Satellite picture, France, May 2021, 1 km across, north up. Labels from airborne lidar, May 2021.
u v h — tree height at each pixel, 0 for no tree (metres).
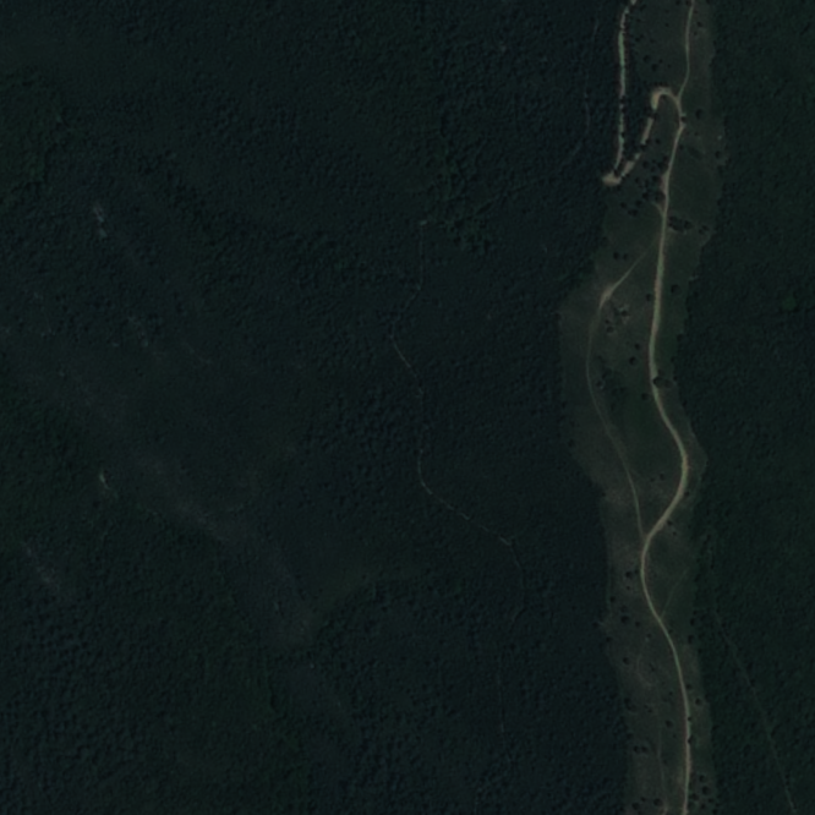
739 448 11
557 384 9
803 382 11
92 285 8
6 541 19
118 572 8
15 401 15
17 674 12
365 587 9
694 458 0
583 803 8
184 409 7
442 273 6
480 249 17
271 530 7
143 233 9
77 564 7
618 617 0
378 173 6
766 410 6
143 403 7
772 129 7
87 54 6
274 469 6
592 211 10
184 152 8
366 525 7
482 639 15
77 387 6
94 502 7
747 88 9
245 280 14
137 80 8
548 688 5
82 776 17
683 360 9
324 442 14
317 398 7
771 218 7
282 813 7
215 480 7
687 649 0
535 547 8
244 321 9
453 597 10
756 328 9
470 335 7
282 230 13
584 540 6
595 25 10
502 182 12
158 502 6
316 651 11
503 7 6
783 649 7
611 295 0
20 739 14
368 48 12
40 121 10
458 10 8
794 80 9
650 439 0
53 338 6
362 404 15
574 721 7
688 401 12
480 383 13
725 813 7
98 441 7
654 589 0
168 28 8
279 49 11
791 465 5
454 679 10
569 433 0
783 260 6
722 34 5
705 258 8
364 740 6
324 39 11
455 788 5
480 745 7
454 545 12
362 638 7
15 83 9
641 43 10
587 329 0
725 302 8
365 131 6
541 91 6
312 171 12
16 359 6
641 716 0
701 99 0
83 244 6
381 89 6
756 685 16
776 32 9
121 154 19
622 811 14
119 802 6
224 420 6
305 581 7
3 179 10
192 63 5
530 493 8
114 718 16
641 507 0
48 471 9
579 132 9
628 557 0
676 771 0
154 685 13
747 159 7
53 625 7
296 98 7
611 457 0
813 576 10
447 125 21
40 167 15
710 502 11
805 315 12
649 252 0
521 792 6
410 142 14
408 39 7
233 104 8
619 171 8
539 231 6
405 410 12
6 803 16
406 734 6
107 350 6
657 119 10
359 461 6
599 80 6
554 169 13
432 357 11
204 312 8
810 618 11
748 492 10
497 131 14
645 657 0
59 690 9
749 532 9
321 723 10
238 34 7
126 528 9
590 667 7
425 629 7
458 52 8
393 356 8
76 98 9
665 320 0
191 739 8
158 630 10
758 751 7
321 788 8
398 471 8
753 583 6
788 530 7
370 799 8
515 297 9
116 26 7
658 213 0
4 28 6
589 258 8
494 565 12
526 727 8
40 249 7
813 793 6
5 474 16
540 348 7
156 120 8
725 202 11
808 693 7
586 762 7
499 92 11
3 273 7
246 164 6
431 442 7
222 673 8
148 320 8
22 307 5
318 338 6
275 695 11
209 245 12
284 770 10
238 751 7
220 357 7
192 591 10
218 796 14
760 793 6
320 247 7
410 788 15
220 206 9
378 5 11
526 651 9
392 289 8
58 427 18
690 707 0
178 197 14
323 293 9
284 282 8
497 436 6
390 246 6
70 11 11
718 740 9
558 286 5
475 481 6
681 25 0
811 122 12
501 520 7
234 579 8
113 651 8
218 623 7
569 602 9
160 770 10
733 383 7
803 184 8
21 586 11
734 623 9
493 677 9
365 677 6
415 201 7
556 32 7
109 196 11
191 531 11
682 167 0
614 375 11
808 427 7
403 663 9
